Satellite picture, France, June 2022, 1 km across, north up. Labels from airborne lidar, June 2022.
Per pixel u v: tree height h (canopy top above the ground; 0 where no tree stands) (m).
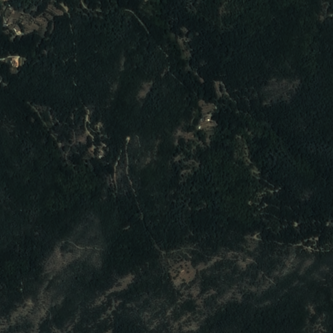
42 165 10
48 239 9
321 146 6
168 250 10
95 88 11
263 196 7
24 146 9
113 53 11
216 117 15
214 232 10
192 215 10
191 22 17
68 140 9
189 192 10
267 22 13
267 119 14
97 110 9
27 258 12
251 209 15
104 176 12
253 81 12
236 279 6
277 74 8
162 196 12
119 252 12
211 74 13
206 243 11
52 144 10
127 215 11
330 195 11
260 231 8
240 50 11
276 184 11
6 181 12
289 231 11
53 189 13
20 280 8
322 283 6
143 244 13
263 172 12
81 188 7
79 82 11
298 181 11
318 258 8
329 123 11
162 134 6
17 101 20
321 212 17
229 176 14
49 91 10
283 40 10
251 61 11
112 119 7
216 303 8
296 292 6
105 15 21
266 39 10
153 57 17
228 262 6
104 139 13
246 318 7
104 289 5
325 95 9
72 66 12
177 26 12
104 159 14
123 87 11
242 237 7
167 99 9
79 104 15
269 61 9
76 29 11
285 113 12
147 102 9
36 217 7
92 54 11
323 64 11
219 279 8
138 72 12
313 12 10
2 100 15
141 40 19
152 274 10
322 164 9
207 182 18
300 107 12
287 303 8
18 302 9
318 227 8
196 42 15
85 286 7
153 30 20
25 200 8
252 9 10
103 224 9
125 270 8
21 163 8
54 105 16
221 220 10
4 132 6
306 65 11
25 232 8
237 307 8
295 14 13
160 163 8
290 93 6
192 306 12
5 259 14
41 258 9
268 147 9
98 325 9
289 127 15
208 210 11
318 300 8
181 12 13
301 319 7
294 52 8
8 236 7
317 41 12
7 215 8
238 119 13
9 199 10
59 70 7
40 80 10
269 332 11
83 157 8
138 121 9
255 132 7
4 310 8
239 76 11
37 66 7
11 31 6
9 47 19
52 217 15
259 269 7
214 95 16
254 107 13
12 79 16
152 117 8
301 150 18
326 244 6
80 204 13
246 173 10
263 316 17
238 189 14
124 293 6
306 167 10
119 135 7
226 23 8
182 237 7
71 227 6
